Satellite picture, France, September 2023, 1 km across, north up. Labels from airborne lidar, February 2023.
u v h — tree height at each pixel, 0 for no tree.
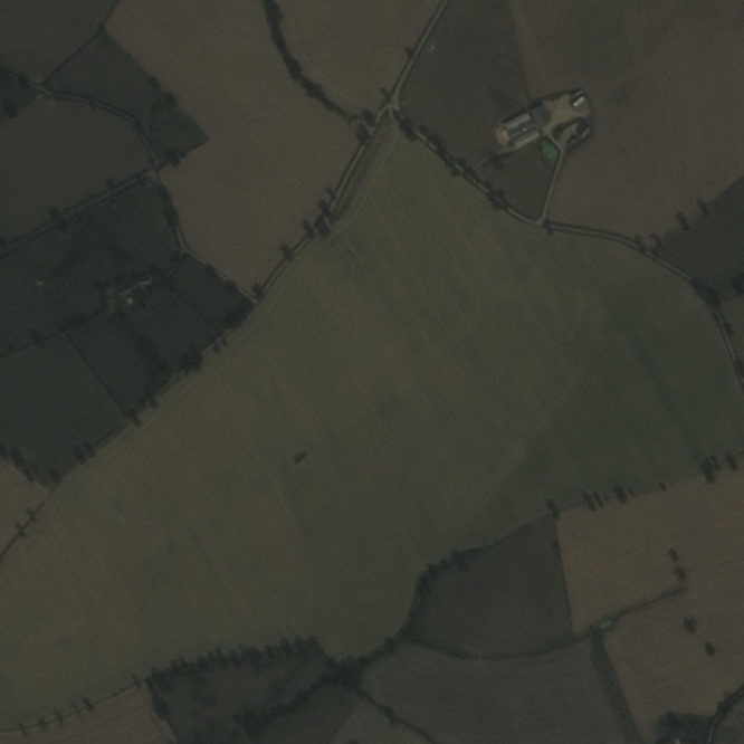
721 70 0
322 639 0
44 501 0
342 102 0
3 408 0
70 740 0
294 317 0
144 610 0
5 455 12
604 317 0
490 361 0
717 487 0
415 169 0
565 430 0
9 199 0
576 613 0
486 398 0
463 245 0
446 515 0
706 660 0
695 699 0
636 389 0
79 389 0
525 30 0
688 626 11
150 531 0
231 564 0
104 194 0
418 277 0
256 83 0
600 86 0
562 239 0
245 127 0
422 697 0
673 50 0
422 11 0
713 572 0
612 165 0
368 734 0
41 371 0
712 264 0
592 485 0
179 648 0
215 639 0
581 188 0
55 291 0
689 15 0
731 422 0
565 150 0
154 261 0
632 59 0
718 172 0
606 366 0
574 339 0
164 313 0
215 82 0
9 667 0
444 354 0
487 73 0
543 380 0
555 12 0
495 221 0
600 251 0
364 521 0
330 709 0
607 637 0
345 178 0
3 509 0
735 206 0
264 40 0
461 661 0
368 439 0
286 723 0
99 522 0
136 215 0
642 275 0
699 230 0
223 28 0
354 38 0
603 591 0
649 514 0
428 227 0
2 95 0
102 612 0
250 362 0
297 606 0
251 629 0
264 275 0
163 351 0
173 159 15
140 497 0
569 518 0
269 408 0
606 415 0
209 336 0
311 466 0
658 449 0
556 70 0
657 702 0
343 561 0
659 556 0
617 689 0
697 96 0
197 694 0
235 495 0
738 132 0
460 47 0
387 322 0
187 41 0
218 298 0
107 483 0
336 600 0
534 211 0
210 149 0
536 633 0
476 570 0
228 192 0
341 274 0
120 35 0
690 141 0
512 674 0
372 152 0
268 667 0
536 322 0
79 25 0
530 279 0
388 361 0
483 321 0
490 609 0
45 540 0
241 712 0
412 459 0
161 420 0
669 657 0
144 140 0
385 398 0
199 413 0
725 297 0
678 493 0
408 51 10
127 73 0
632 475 0
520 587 0
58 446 0
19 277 0
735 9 0
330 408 0
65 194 0
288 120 0
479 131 0
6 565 0
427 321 0
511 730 0
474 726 0
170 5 0
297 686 0
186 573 0
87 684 0
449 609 0
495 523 0
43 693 0
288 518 0
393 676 0
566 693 0
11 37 0
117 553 0
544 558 0
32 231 0
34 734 0
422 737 0
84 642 0
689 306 0
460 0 0
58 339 0
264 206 0
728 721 0
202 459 0
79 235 0
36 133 0
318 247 0
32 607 0
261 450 0
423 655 0
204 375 0
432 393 0
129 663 0
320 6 0
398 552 0
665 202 0
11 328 0
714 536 0
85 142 0
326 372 0
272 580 0
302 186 0
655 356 0
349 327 0
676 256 0
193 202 0
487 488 0
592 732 0
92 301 0
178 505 0
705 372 0
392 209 0
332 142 0
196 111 0
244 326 0
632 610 0
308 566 0
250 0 0
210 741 0
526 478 0
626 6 0
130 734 0
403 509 0
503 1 0
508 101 0
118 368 0
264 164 0
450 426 0
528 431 0
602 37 0
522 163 0
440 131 0
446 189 0
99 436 0
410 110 0
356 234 0
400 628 0
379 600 0
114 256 0
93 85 0
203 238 0
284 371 0
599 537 0
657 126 0
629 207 0
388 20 0
